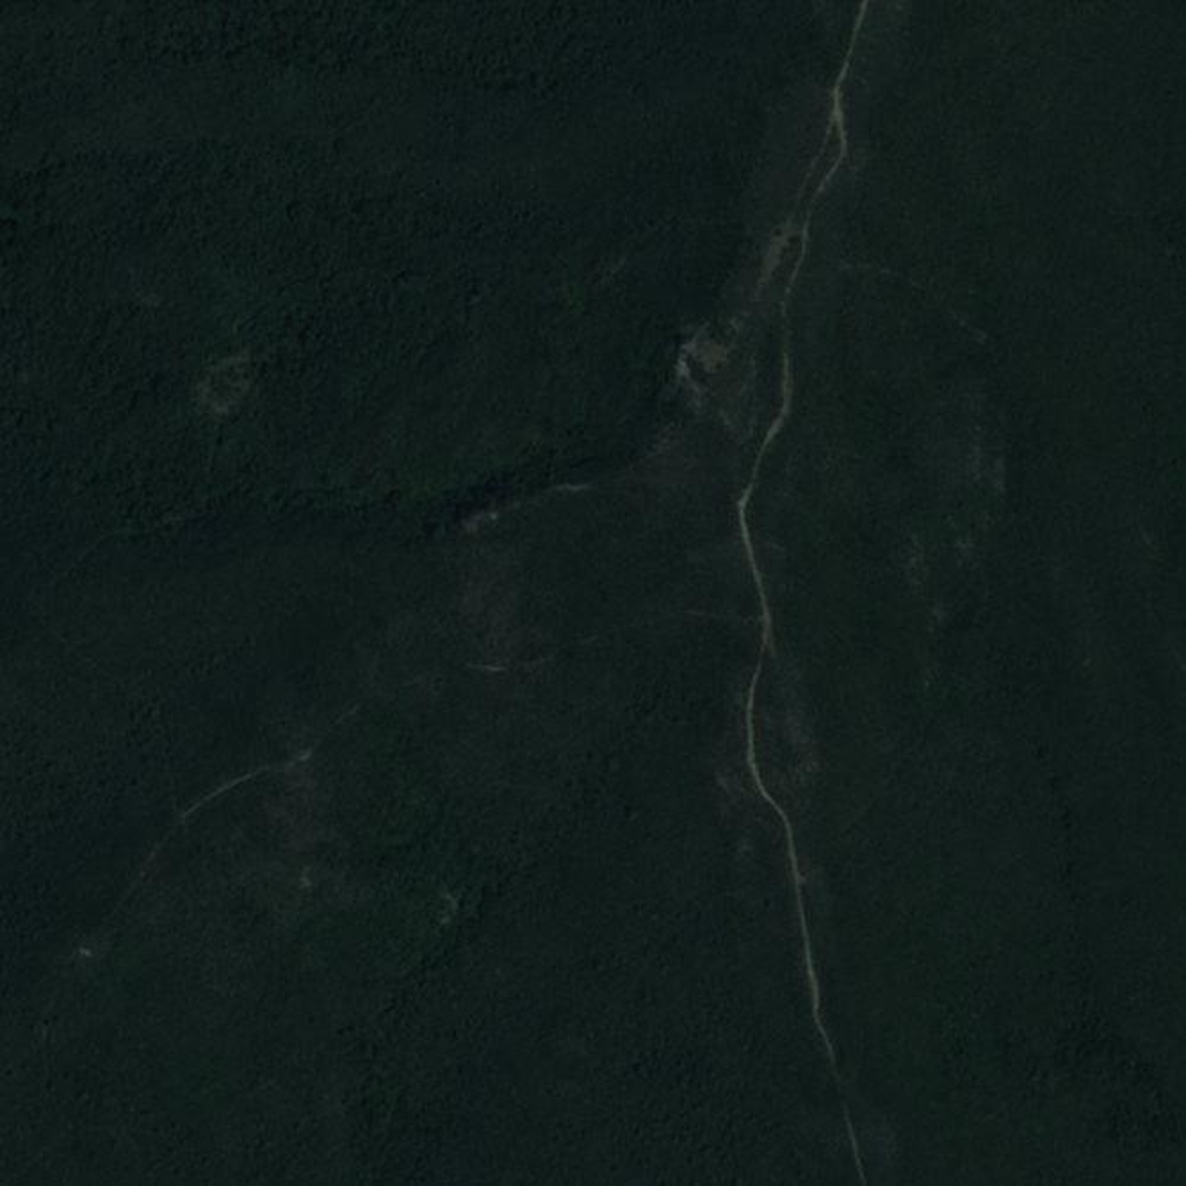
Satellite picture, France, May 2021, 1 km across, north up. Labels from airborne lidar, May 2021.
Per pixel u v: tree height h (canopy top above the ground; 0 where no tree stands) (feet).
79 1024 21
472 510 67
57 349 22
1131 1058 23
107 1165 20
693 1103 20
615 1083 29
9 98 45
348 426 22
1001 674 19
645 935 20
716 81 19
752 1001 19
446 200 22
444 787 19
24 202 56
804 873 0
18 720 17
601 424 20
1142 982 20
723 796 0
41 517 27
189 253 25
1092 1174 18
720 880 18
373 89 17
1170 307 18
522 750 21
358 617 20
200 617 18
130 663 20
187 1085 17
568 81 28
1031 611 18
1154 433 20
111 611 20
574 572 18
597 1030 20
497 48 25
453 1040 24
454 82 20
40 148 19
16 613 21
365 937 27
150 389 23
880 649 18
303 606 19
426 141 17
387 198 34
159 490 39
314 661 18
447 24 25
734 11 22
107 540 22
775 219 0
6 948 23
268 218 32
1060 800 21
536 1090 17
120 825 20
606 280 26
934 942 17
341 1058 26
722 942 22
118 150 34
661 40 26
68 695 20
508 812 24
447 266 19
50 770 49
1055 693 20
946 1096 31
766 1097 20
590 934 21
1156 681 19
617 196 20
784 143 0
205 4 50
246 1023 20
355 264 29
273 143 20
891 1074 17
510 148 19
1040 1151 20
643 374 20
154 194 32
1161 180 18
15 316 37
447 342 19
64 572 20
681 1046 30
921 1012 17
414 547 20
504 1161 21
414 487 24
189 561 19
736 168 23
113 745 26
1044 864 20
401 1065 28
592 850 18
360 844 22
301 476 22
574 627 18
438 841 48
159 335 18
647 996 47
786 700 0
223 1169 21
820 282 0
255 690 20
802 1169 28
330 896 19
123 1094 20
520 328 17
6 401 31
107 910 19
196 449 33
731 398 0
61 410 28
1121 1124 31
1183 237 18
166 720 25
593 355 19
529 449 21
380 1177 39
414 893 27
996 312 19
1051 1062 25
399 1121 21
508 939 25
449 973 36
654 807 18
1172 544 17
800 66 20
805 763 0
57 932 20
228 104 21
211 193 34
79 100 27
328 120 25
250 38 49
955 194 19
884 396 17
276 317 31
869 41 0
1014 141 18
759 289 0
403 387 17
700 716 19
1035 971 19
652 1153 23
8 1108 20
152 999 19
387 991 20
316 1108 31
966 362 17
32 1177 18
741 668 0
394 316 32
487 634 29
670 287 18
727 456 0
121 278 19
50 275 20
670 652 20
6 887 22
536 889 26
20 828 30
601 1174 20
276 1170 20
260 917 19
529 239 24
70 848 17
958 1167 20
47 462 39
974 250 19
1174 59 20
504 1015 24
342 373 20
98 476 33
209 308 28
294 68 21
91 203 27
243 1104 24
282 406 21
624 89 24
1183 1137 40
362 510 26
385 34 30
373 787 21
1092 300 18
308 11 39
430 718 19
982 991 19
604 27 22
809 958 0
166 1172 21
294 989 18
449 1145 23
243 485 29
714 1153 25
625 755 17
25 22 20
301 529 27
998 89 20
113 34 32
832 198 0
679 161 22
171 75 19
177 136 22
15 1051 21
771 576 0
